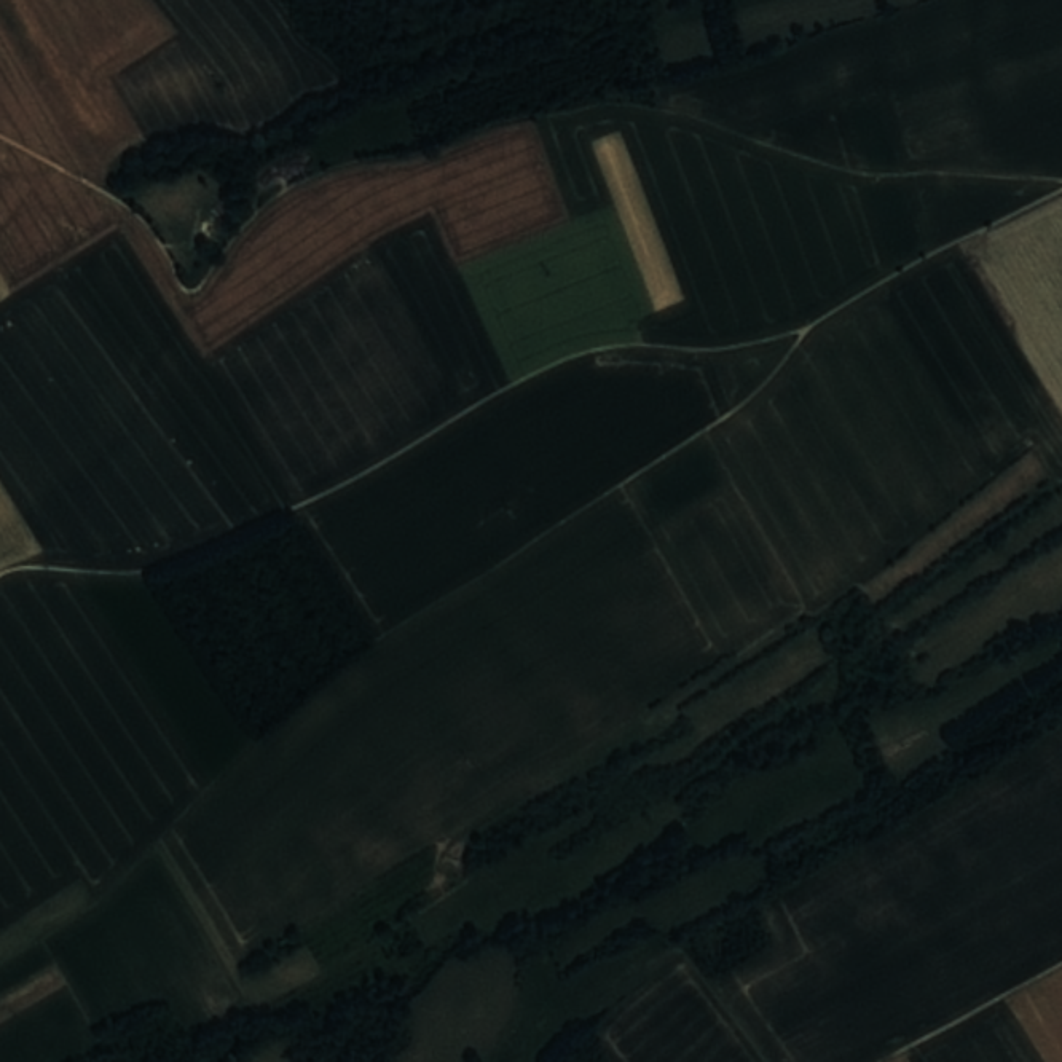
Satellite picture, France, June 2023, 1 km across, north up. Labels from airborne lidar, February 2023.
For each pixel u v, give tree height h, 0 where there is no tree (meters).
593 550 0
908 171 0
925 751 0
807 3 0
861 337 0
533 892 0
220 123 0
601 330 0
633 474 0
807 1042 0
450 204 0
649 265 0
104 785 0
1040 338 0
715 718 0
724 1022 0
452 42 8
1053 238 0
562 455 0
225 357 0
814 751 18
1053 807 0
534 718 0
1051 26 0
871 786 13
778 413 0
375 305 0
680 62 0
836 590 0
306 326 0
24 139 0
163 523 0
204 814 0
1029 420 0
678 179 0
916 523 0
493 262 0
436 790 0
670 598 0
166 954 0
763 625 0
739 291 0
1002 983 0
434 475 0
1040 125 0
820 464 0
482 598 0
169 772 0
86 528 0
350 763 0
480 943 18
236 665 15
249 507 0
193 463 0
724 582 0
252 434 0
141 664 0
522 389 0
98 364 0
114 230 0
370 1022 24
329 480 0
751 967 0
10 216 0
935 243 0
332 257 0
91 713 0
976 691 0
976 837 0
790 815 0
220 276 0
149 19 0
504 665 0
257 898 0
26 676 0
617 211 0
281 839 0
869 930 0
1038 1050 0
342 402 0
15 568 0
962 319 0
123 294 0
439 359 0
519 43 29
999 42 0
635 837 0
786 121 0
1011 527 8
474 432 0
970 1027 0
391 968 0
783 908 0
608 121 0
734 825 0
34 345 0
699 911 0
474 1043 0
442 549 0
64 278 0
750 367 0
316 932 0
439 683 0
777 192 0
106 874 0
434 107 7
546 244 0
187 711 0
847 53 0
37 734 0
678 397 0
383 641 0
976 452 0
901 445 0
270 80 0
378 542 0
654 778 9
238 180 26
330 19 15
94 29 0
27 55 0
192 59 0
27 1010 0
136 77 0
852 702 14
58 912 0
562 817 9
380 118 0
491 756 0
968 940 0
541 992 0
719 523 0
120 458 0
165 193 0
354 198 0
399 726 0
